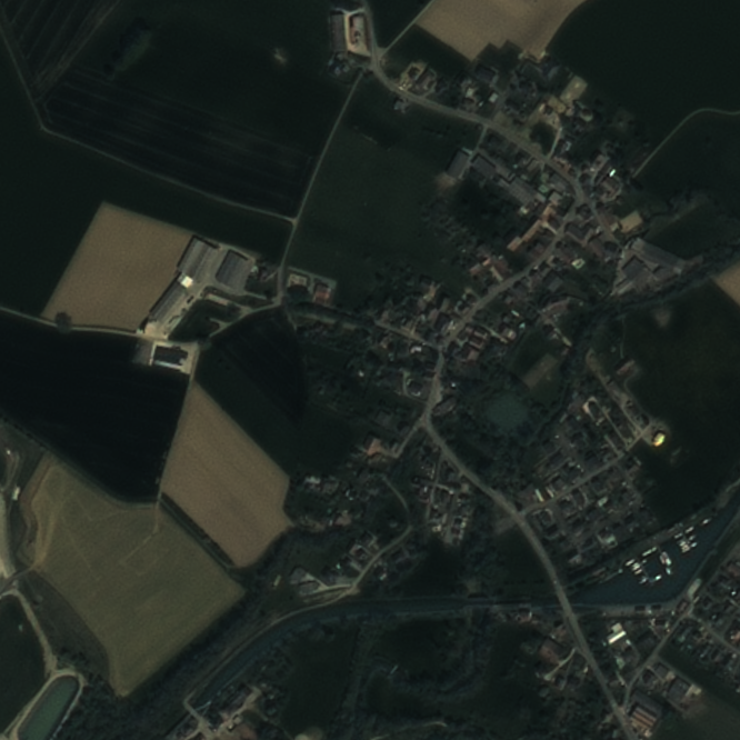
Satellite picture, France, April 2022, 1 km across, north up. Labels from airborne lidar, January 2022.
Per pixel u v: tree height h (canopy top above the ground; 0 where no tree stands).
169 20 0
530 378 0
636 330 0
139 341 0
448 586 0
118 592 0
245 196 0
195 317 0
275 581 16
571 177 0
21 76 0
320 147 0
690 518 0
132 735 21
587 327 18
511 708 0
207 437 0
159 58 0
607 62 0
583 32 0
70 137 0
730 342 0
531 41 0
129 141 0
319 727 0
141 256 0
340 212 0
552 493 0
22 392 0
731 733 0
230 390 0
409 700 0
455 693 25
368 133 0
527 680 0
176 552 0
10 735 0
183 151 0
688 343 0
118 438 0
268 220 0
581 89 0
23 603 0
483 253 0
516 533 0
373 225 0
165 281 0
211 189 0
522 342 0
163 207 0
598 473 0
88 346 0
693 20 0
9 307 0
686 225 0
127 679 0
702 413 0
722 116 0
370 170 0
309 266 0
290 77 0
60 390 0
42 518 0
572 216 0
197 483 0
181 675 19
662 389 0
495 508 11
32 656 0
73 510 0
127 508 0
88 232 0
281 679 13
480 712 0
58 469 0
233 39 0
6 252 0
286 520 0
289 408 0
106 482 0
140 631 0
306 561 0
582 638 0
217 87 0
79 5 0
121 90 0
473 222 0
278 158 0
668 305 0
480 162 0
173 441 0
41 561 0
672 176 0
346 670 0
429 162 0
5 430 0
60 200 0
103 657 0
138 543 0
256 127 0
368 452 0
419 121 0
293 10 0
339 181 0
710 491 0
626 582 0
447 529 0
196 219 0
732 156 0
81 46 0
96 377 0
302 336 15
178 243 0
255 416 0
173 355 0
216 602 0
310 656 0
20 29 0
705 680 0
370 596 0
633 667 0
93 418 0
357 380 0
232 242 0
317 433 0
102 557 0
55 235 0
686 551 0
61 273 0
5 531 0
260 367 0
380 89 0
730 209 0
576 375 22
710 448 0
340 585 0
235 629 24
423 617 0
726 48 0
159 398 0
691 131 0
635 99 0
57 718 0
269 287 0
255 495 0
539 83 0
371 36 0
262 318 0
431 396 0
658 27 0
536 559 0
